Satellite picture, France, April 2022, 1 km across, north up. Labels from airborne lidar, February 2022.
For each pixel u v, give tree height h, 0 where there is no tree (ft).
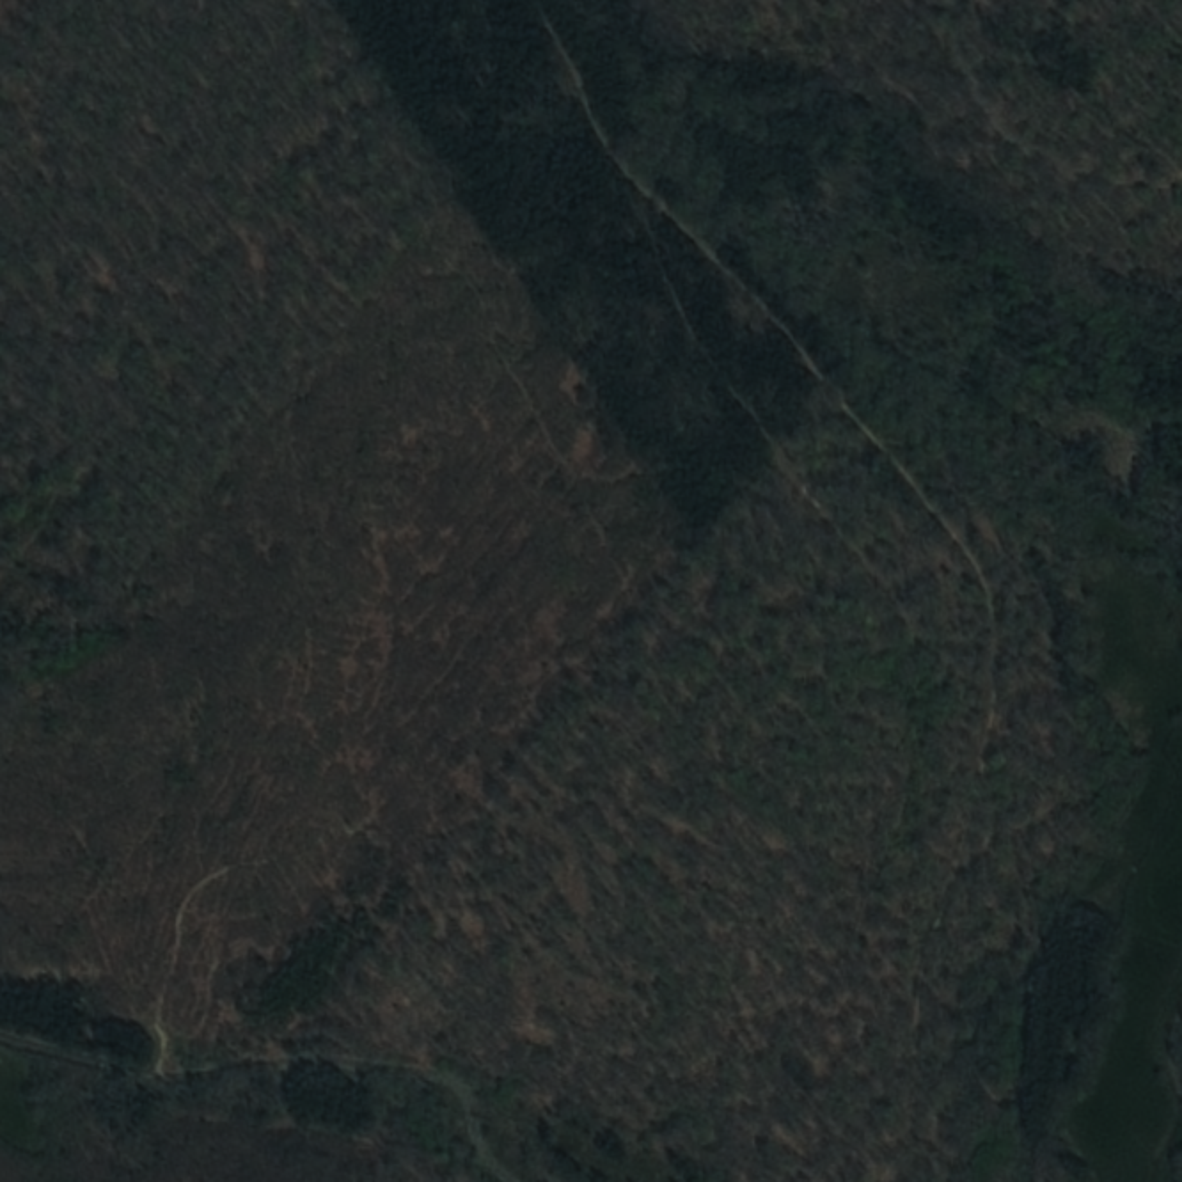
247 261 97
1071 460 79
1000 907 115
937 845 81
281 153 99
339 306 83
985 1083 111
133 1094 74
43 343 83
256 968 38
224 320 89
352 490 32
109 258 105
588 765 90
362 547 34
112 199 86
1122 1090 0
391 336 28
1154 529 69
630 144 79
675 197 80
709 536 92
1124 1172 0
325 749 36
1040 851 93
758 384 78
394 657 30
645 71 62
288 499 38
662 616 94
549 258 81
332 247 93
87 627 84
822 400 92
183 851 23
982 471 75
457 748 27
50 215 97
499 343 29
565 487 21
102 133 101
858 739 100
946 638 106
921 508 62
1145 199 78
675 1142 102
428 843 35
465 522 22
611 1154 105
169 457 100
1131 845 0
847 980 102
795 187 93
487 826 79
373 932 32
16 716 99
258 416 92
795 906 80
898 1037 85
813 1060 93
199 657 38
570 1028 66
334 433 34
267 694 33
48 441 73
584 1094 97
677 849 92
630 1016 58
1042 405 94
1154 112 79
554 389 32
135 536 89
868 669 85
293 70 87
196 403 91
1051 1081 87
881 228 89
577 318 81
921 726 60
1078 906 57
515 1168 0
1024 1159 103
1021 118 77
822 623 98
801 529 104
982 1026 108
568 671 25
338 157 95
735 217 74
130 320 102
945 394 95
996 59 70
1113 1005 76
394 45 70
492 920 74
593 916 0
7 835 40
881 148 88
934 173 98
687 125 101
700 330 86
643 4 86
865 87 103
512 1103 68
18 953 0
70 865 38
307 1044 51
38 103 110
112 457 79
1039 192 87
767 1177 97
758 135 98
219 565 35
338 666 26
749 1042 79
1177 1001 0
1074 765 87
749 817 89
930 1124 95
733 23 79
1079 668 76
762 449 73
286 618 42
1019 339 60
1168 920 0
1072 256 92
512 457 22
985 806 74
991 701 83
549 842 0
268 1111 75
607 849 91
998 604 27
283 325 90
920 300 0
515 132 55
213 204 102
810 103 94
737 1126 72
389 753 32
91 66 103
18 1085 0
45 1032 54
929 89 99
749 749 86
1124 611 0
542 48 91
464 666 18
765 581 100
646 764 81
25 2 0
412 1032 0
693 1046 79
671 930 82
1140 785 73
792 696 86
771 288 75
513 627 24
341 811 32
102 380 98
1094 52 69
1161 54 73
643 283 75
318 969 23
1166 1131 0
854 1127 100
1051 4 86
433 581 25
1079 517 21
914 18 90
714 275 73
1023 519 35
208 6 93
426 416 33
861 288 0
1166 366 93
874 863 36
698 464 91
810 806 95
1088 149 82
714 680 95
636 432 75
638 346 78
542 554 36
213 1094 73
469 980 82
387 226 94
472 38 76
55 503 0
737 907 86
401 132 95
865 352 73
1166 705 0
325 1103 83
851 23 43
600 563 37
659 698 87
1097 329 84
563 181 108
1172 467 115
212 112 97
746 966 78
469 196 68
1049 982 115
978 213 93
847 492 102
